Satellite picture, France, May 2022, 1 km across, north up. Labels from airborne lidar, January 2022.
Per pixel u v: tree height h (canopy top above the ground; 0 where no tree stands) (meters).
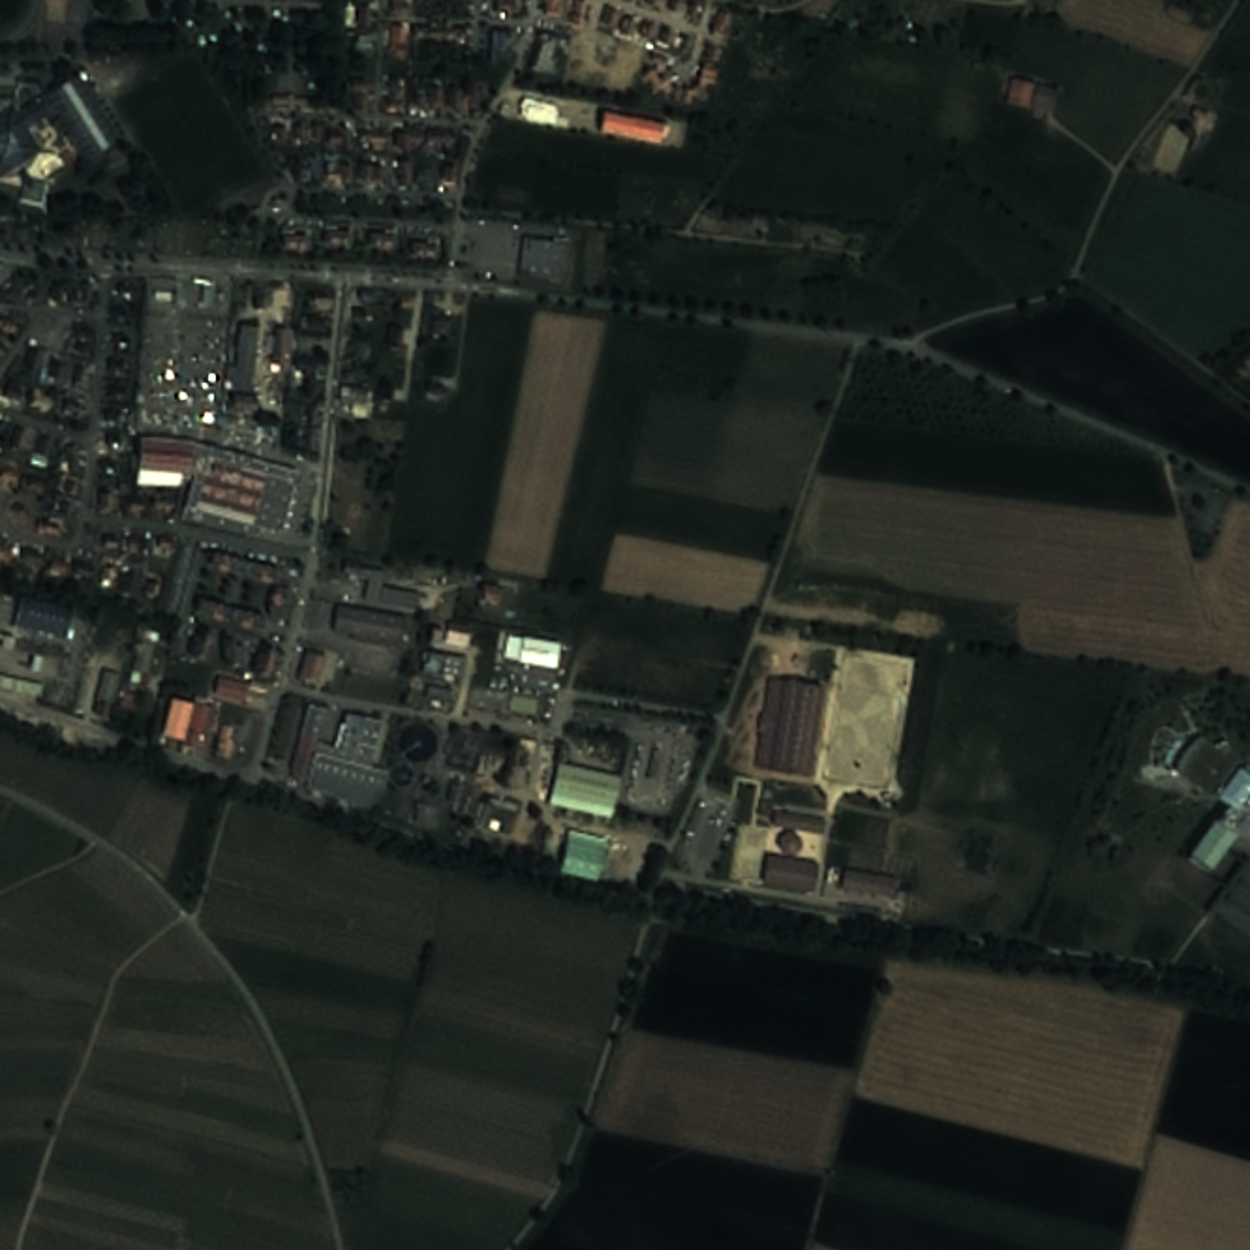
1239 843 0
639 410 0
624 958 0
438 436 0
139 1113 0
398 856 13
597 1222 0
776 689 0
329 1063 0
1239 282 0
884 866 0
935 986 0
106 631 0
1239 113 0
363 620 0
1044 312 0
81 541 0
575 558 0
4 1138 0
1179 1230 0
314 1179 0
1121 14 0
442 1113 0
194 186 0
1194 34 0
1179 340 0
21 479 8
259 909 0
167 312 0
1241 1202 0
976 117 0
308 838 0
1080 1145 0
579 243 0
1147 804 0
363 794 0
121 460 0
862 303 0
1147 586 0
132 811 0
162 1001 0
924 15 0
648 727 0
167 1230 0
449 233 0
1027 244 0
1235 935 0
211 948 0
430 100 0
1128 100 0
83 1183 0
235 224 11
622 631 0
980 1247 0
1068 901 0
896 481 0
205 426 0
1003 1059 0
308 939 0
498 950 0
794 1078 0
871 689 0
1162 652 0
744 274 0
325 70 12
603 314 0
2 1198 0
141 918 0
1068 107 0
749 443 0
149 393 0
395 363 0
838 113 0
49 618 0
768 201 0
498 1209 0
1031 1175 0
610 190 0
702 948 0
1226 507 0
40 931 0
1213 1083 0
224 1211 0
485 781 0
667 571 0
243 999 0
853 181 0
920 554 0
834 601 0
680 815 0
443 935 0
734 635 0
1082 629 0
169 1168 0
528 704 0
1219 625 0
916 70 0
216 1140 0
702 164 0
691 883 0
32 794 0
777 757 0
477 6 0
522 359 0
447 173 0
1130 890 0
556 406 0
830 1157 0
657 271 0
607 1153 0
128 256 0
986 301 0
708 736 10
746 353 0
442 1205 0
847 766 0
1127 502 0
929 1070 0
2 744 0
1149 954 0
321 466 0
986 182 0
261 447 0
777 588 0
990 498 0
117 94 0
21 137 0
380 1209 0
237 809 0
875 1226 0
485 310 0
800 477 0
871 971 0
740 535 0
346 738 0
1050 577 0
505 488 0
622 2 0
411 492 0
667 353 0
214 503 0
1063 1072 0
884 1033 0
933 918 0
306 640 0
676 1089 0
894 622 0
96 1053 0
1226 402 0
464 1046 0
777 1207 0
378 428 0
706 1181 0
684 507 0
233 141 0
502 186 0
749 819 0
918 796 0
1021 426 0
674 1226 0
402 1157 0
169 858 0
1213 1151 0
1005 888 0
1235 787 0
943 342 0
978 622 0
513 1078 0
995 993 0
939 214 0
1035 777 0
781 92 0
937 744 0
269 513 0
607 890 21
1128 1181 0
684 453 0
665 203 0
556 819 0
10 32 0
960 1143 0
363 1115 0
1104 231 0
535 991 0
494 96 0
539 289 0
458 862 18
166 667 0
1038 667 0
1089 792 0
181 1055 0
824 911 0
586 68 0
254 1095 0
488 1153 0
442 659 0
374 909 0
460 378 0
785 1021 0
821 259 0
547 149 0
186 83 0
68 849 0
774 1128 0
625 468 0
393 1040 0
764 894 0
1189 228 0
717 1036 0
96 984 0
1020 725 0
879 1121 0
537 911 0
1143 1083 0
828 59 0
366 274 0
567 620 0
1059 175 0
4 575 9
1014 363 0
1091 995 0
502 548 0
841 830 0
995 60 8
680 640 0
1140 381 0
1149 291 0
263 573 0
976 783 0
